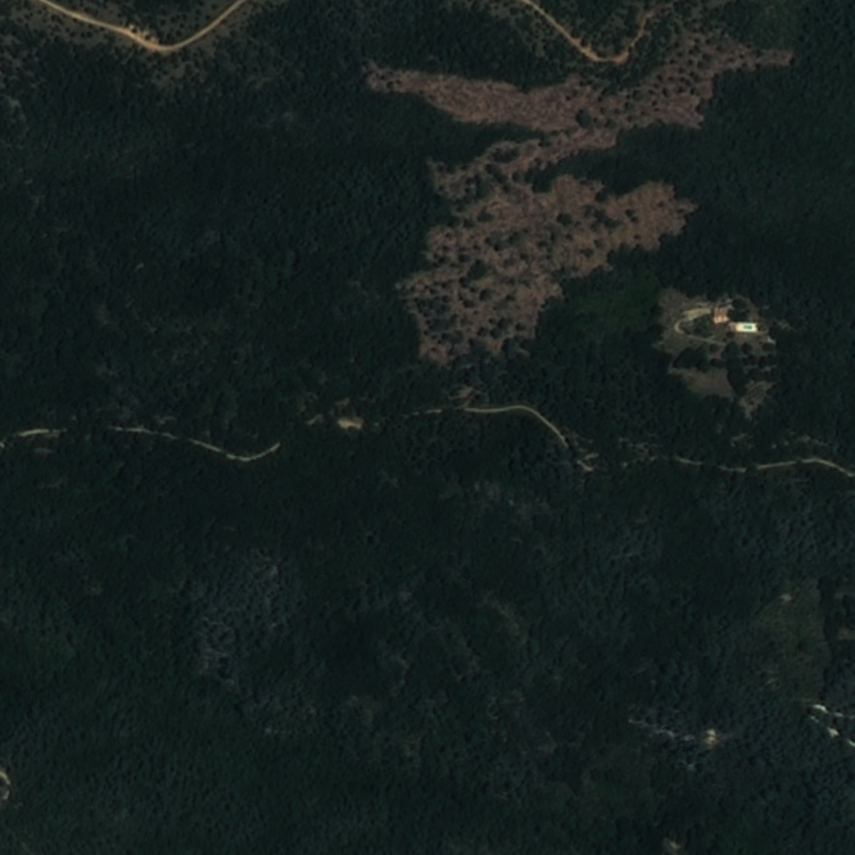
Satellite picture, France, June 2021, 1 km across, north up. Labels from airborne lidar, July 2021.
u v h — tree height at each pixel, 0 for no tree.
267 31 12
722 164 10
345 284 8
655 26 7
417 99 13
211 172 13
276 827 10
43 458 11
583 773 14
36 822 6
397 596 14
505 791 6
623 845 18
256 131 9
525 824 17
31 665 12
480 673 8
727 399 13
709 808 13
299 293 14
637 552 14
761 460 15
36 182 10
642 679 14
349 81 13
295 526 16
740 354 13
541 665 22
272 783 10
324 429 11
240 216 19
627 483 15
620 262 11
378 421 11
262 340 16
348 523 15
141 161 9
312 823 17
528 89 16
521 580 13
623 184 15
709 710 10
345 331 12
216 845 12
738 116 10
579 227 8
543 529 13
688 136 9
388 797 12
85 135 12
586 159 9
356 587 16
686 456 20
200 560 11
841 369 10
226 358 9
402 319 11
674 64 13
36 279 13
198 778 10
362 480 11
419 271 14
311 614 15
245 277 8
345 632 14
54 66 14
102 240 10
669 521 12
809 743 15
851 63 6
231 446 14
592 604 15
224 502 18
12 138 7
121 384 12
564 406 11
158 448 15
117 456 14
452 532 13
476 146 10
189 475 17
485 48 10
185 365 7
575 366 15
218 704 11
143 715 12
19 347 12
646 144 12
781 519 8
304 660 11
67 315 13
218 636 18
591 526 12
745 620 14
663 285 9
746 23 8
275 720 17
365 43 8
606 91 10
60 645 7
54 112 10
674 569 14
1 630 18
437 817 13
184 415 11
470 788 17
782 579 9
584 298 7
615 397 14
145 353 11
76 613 12
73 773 10
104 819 6
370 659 14
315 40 7
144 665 15
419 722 8
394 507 12
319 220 13
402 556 13
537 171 9
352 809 17
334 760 16
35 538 12
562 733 16
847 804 23
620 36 8
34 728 16
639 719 16
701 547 15
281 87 6
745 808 10
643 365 9
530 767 22
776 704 16
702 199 8
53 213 10
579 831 11
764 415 15
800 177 9
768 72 15
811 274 13
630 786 11
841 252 13
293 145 12
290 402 10
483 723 11
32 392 13
